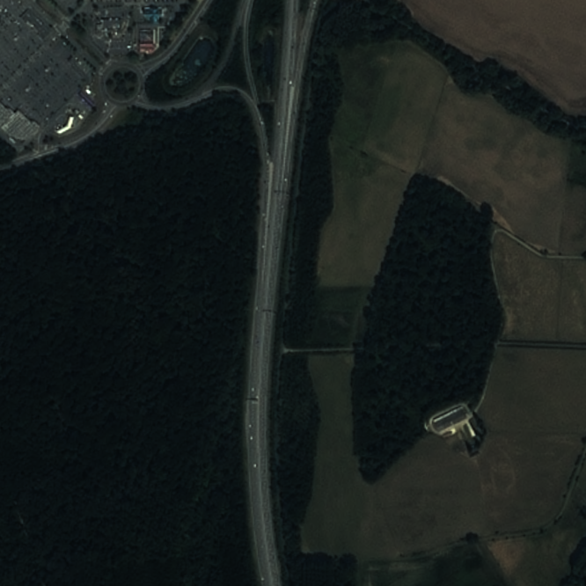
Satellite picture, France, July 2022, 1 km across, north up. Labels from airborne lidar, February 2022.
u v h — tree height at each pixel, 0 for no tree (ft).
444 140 0
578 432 0
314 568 95
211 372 48
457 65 43
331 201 37
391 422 73
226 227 80
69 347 81
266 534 0
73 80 0
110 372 85
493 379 0
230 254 67
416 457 0
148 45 0
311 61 29
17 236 69
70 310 64
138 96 0
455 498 0
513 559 0
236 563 32
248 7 0
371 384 25
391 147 0
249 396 0
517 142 0
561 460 0
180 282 41
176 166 83
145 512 115
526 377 0
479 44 0
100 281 77
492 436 0
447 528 0
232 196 73
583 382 0
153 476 100
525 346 0
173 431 70
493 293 64
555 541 0
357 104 0
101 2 0
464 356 74
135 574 33
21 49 0
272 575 0
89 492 101
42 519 128
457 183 0
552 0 0
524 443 0
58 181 65
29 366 58
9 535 95
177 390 67
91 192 70
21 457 59
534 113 66
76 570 110
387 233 0
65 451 78
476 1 0
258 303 0
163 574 31
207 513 64
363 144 0
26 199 75
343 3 64
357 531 0
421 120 0
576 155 0
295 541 77
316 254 36
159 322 76
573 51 0
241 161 73
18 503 107
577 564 82
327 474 0
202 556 24
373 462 33
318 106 43
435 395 53
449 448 0
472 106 0
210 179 79
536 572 0
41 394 85
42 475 95
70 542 86
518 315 0
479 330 70
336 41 57
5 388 69
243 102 39
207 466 50
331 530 0
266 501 0
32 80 0
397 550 0
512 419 0
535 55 0
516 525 0
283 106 0
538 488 0
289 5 0
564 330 0
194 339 73
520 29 0
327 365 0
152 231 84
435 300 66
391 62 0
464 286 76
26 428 75
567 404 0
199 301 70
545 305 0
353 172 0
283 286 27
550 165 0
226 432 63
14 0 0
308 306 48
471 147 0
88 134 0
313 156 52
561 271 0
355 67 0
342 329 0
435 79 0
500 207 0
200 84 0
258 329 0
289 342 19
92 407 102
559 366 0
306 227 31
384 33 98
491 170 0
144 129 70
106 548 74
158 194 65
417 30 33
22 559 117
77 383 67
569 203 0
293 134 0
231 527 82
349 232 0
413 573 0
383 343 74
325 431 0
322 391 0
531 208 0
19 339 89
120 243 85
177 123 74
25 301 77
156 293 88
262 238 0
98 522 65
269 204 0
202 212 94
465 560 0
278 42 0
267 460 0
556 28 0
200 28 0
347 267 0
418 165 0
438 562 0
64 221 85
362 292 0
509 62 0
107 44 0
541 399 0
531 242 0
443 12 0
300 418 45
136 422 76
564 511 0
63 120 0
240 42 21
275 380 27
